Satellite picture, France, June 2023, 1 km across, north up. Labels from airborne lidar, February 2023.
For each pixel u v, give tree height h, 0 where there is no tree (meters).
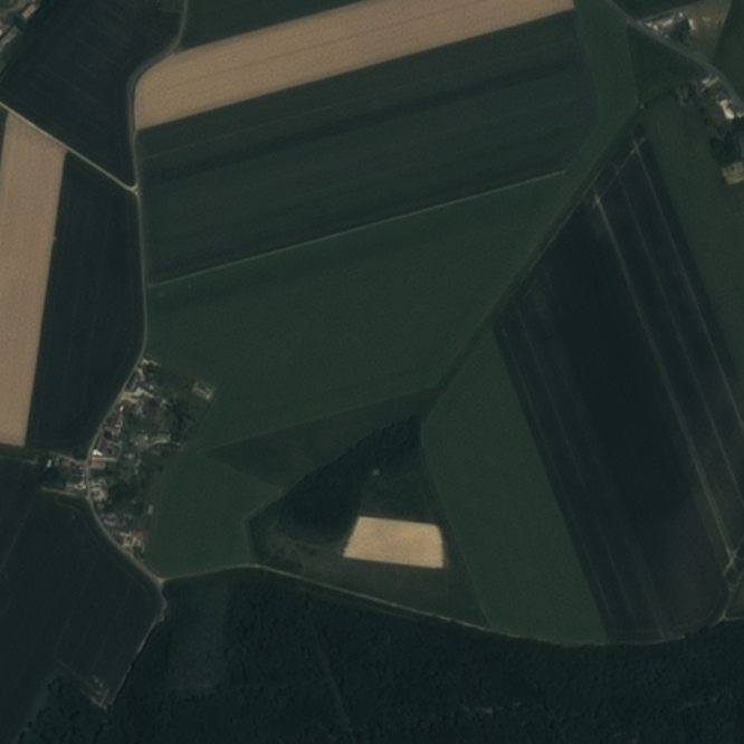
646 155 0
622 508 0
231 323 0
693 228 0
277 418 0
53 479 14
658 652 7
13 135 0
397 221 0
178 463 0
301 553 0
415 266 0
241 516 0
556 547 0
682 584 0
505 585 0
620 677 18
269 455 0
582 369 0
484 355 0
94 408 0
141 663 17
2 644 0
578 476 0
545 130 0
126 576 0
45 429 0
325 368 0
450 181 0
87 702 9
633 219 0
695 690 17
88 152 0
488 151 0
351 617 17
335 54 0
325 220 0
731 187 0
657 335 0
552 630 0
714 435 0
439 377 0
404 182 0
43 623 0
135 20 0
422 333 0
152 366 9
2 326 0
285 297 0
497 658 16
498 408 0
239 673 14
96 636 0
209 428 0
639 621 0
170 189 0
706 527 0
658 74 0
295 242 0
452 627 13
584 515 0
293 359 0
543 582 0
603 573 0
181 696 15
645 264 0
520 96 0
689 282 0
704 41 0
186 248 0
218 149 0
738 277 0
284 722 21
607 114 0
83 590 0
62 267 0
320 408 0
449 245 0
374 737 17
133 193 0
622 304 0
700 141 0
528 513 0
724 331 0
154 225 0
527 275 0
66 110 0
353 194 0
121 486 9
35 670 0
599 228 0
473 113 0
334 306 0
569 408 0
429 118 0
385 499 0
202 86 0
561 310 0
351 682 17
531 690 19
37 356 0
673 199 0
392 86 0
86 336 0
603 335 0
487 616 0
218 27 0
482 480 0
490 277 0
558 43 0
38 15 10
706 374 0
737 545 0
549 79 0
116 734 24
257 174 0
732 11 0
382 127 0
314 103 0
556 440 0
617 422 0
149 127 0
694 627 0
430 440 0
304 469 0
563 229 0
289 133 0
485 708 17
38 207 0
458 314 0
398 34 0
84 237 0
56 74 0
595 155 0
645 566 0
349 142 0
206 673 0
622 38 0
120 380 0
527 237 0
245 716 19
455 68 0
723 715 12
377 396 0
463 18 0
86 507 0
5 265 0
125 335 0
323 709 22
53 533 0
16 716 0
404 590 0
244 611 14
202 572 0
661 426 0
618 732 15
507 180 0
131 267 0
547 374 0
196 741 24
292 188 0
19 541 0
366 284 0
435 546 0
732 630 10
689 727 6
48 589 0
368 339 0
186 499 0
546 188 0
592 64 0
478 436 0
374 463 16
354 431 0
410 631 12
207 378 0
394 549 0
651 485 0
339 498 16
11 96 0
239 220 0
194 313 0
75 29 0
